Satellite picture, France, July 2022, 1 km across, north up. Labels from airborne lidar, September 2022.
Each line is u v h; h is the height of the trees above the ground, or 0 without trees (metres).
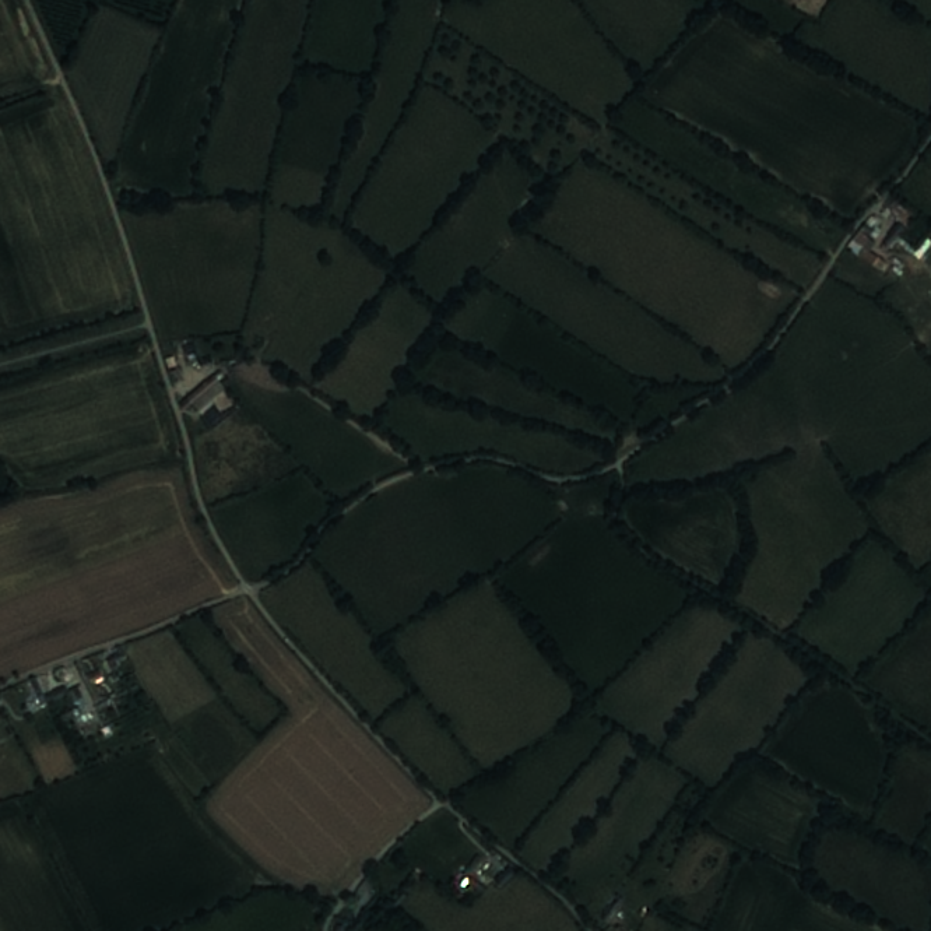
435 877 0
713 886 0
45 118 0
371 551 0
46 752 0
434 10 0
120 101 0
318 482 9
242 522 0
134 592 0
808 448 0
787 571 0
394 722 0
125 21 0
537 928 0
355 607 9
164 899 0
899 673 0
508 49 0
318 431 0
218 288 0
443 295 0
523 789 0
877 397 0
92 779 0
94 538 0
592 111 0
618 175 12
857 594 0
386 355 0
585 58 0
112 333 0
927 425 0
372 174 10
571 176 7
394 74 0
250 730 6
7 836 0
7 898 0
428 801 0
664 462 0
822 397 0
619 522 14
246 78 0
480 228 0
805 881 16
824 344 0
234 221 0
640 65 11
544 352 0
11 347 8
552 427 10
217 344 7
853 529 0
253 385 0
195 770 0
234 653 7
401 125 7
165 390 8
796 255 0
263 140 0
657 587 0
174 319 0
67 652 0
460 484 0
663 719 0
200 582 0
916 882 0
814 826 13
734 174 0
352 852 0
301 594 0
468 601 0
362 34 0
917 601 0
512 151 12
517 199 0
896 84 0
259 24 0
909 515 0
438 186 0
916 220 6
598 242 0
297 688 0
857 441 0
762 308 0
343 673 0
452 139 0
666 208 7
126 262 0
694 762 0
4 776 0
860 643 0
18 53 0
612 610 0
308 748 0
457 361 0
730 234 0
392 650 19
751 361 7
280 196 0
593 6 0
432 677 0
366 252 15
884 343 0
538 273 0
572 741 0
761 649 0
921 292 0
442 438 0
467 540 0
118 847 0
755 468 10
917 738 11
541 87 7
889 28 0
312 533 17
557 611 0
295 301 0
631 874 6
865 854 0
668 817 7
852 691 7
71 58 10
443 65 0
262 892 7
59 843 0
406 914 16
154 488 0
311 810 0
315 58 0
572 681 12
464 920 0
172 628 6
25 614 0
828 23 0
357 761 0
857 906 12
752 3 0
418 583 0
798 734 0
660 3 0
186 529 0
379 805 0
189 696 0
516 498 0
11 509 0
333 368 12
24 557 0
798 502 0
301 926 0
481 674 0
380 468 0
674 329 9
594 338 0
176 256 0
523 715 0
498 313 0
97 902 0
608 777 0
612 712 0
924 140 11
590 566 0
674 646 0
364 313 14
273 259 0
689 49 0
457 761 0
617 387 0
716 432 0
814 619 0
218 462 0
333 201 12
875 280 0
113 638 0
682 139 0
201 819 0
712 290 0
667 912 5
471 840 0
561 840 0
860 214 10
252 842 0
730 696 0
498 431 0
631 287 0
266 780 0
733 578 17
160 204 21
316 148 0
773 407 0
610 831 0
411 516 0
